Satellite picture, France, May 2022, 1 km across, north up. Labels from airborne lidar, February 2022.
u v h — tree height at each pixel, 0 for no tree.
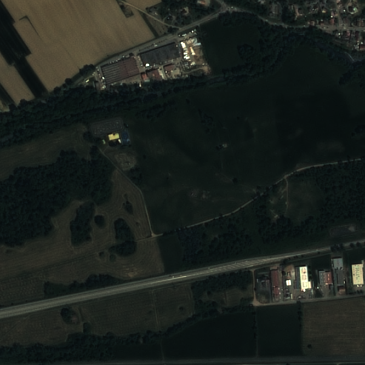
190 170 0
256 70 7
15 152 0
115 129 0
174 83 15
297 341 0
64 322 0
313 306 0
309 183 0
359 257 0
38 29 0
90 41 0
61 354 10
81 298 0
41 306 0
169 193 0
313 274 0
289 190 0
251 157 0
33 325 0
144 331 0
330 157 0
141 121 0
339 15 0
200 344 0
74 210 0
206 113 0
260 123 0
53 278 0
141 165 0
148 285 0
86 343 16
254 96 0
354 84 0
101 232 0
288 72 0
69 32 0
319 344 0
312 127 0
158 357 0
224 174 0
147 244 0
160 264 0
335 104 0
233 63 0
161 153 0
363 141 0
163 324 0
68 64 0
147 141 0
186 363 0
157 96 19
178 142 0
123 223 11
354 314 0
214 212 0
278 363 0
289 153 0
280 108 0
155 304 0
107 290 0
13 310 0
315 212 0
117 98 24
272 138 0
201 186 0
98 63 0
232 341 0
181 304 0
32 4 0
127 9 0
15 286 0
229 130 0
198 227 9
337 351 0
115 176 0
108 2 0
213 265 0
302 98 0
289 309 0
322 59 0
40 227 22
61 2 0
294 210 0
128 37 0
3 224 23
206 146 0
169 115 0
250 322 0
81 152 0
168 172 0
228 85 10
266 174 0
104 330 0
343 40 0
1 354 24
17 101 0
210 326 0
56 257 0
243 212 9
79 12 0
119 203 0
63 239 0
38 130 15
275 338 0
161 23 0
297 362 0
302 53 0
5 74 0
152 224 0
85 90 26
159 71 0
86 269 0
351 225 0
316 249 0
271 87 0
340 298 0
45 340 0
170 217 0
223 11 0
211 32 0
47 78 0
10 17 0
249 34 0
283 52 22
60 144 0
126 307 0
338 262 0
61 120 19
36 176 21
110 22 0
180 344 0
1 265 0
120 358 0
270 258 0
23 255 0
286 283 0
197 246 13
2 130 21
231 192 0
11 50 0
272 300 0
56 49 0
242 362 0
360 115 0
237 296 0
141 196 0
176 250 0
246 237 15
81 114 17
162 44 0
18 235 20
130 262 0
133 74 0
